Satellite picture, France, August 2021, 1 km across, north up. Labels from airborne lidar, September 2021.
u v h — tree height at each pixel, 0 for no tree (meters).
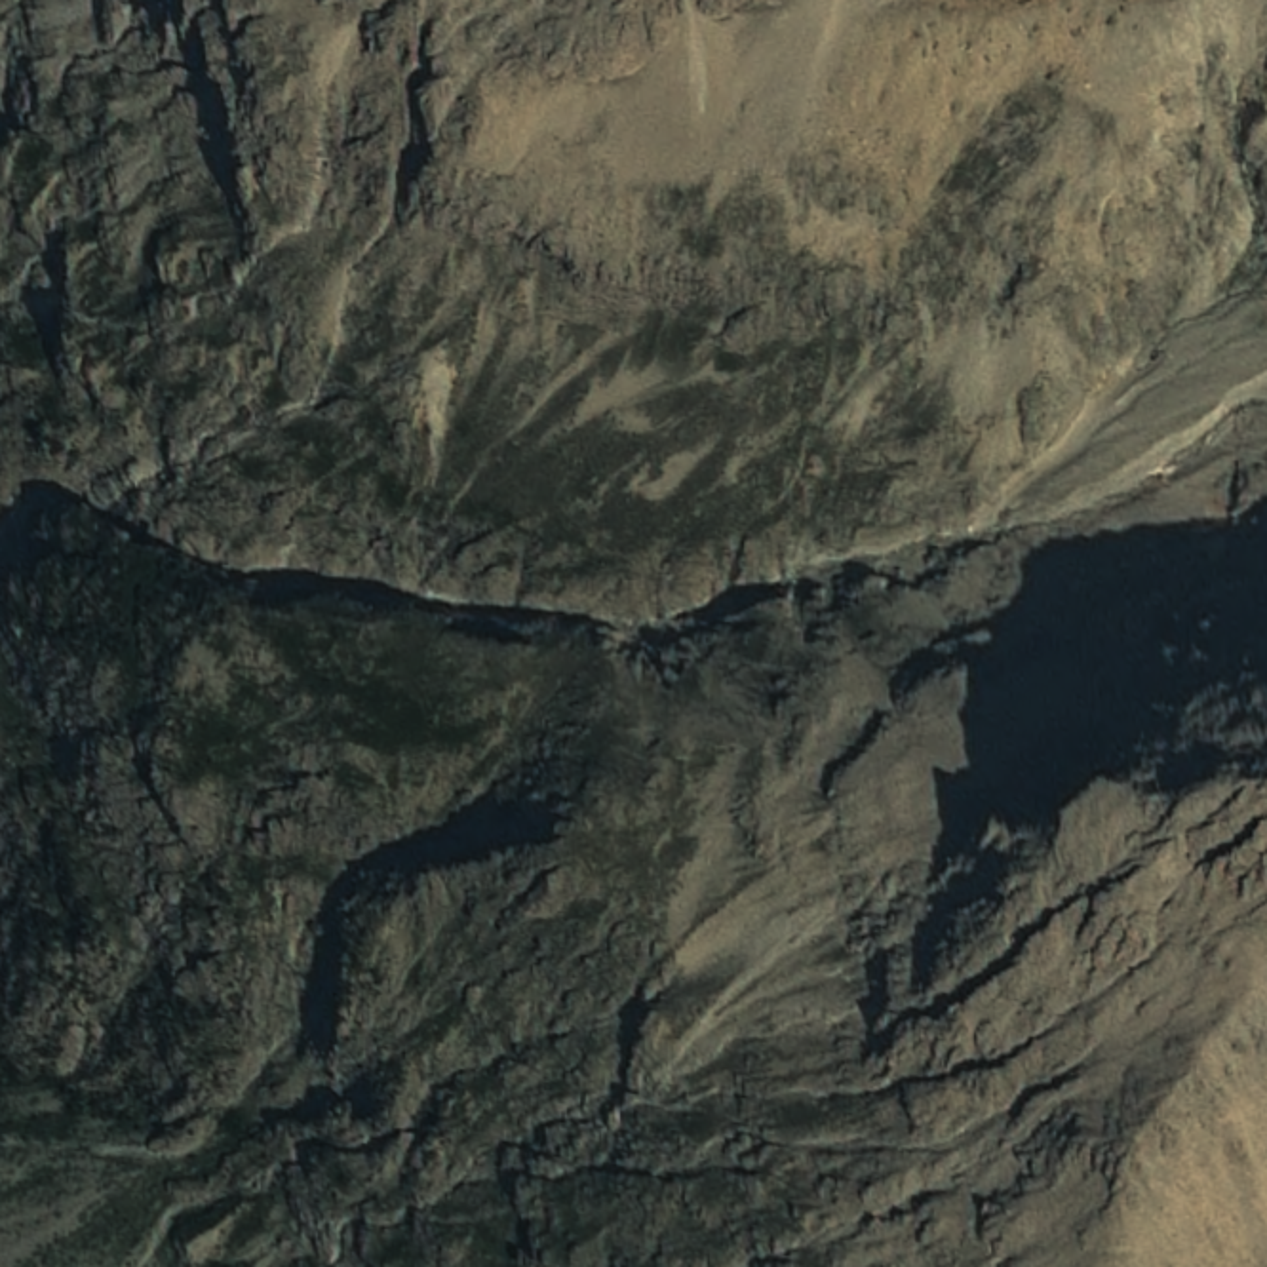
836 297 0
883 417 0
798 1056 0
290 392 0
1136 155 0
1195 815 0
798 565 0
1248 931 0
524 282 0
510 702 0
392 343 0
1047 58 0
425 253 0
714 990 0
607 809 0
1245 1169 0
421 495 0
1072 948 0
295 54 0
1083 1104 0
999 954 0
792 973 0
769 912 0
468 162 0
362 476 0
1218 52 0
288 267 0
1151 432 0
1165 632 0
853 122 0
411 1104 0
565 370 0
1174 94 0
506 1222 0
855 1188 0
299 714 0
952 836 0
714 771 0
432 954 0
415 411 0
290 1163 8
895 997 0
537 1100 0
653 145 0
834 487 0
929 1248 0
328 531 0
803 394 0
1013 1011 0
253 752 0
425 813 0
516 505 0
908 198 0
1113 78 0
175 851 0
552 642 0
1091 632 0
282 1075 0
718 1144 0
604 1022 0
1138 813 0
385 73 0
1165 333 0
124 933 0
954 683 0
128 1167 0
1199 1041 0
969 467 0
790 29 0
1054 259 0
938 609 0
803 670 0
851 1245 0
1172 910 0
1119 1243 0
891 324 0
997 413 0
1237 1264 0
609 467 0
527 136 0
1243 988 0
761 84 0
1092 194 0
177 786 0
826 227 0
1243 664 0
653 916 0
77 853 0
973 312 0
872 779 0
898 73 0
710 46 0
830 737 0
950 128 0
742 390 0
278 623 0
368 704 0
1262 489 0
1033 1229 0
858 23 0
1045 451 0
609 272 0
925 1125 0
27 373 0
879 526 0
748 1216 0
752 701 0
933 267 0
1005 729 0
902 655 0
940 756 0
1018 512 0
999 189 0
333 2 0
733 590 0
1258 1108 0
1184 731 0
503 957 0
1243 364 0
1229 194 0
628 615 0
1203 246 0
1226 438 0
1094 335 0
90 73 0
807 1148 0
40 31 0
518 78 0
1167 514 0
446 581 0
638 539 0
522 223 0
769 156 0
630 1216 0
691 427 0
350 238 0
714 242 0
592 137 0
